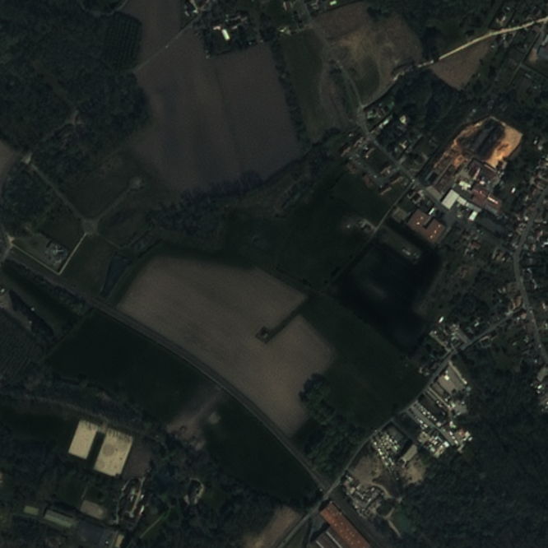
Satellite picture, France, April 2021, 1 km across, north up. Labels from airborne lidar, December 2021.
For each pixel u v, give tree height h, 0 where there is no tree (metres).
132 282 0
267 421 0
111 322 0
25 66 21
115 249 0
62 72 16
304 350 0
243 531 28
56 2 16
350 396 0
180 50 0
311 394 17
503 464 16
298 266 0
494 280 10
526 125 11
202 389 0
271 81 0
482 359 19
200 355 0
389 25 0
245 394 0
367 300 0
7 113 38
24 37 10
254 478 0
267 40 9
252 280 0
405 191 0
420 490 7
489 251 0
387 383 0
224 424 0
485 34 0
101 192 0
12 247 0
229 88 0
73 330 20
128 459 0
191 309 0
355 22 0
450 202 0
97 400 0
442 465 11
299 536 0
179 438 0
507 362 0
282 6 0
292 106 11
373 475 0
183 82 0
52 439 0
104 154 31
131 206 0
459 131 0
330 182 0
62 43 17
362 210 0
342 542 0
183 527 13
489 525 11
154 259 0
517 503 7
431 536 17
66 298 17
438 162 0
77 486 0
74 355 0
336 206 0
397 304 0
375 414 0
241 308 0
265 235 0
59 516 0
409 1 25
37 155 12
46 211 9
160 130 0
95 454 0
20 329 28
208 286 0
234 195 32
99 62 21
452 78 0
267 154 0
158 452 25
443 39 14
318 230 0
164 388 0
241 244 0
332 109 0
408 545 18
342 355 0
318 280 0
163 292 0
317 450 21
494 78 9
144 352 0
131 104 37
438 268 0
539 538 20
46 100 21
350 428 11
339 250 0
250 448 0
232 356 0
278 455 0
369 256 0
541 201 0
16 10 38
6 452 18
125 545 15
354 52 0
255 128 0
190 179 0
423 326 0
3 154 0
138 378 0
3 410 0
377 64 0
